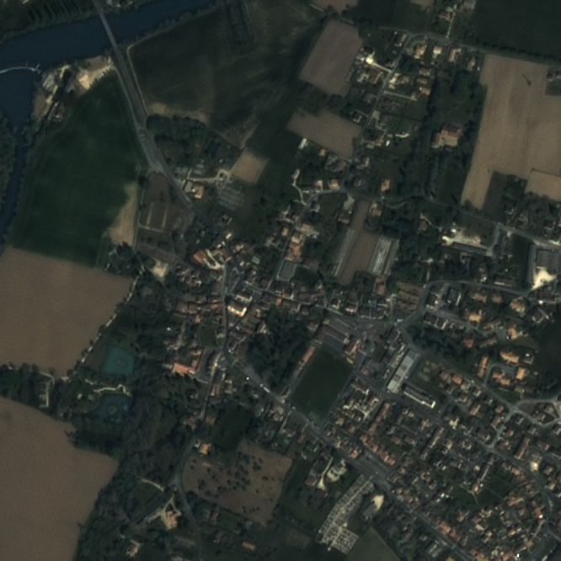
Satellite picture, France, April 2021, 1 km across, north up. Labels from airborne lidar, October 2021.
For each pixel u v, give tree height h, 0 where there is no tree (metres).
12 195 0
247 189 0
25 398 14
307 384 0
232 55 0
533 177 0
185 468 0
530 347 0
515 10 0
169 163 13
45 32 0
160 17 0
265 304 0
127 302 13
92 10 11
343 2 0
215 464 0
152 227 0
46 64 0
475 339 15
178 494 8
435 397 0
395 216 17
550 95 0
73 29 0
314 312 12
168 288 7
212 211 0
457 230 0
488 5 0
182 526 13
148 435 36
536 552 0
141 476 31
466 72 9
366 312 0
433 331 11
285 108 0
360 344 0
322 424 0
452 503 8
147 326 8
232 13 28
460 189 0
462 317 7
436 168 13
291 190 0
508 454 0
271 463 0
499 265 9
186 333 9
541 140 0
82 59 0
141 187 10
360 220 0
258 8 0
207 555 0
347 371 0
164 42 0
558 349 0
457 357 26
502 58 0
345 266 0
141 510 20
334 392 0
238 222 0
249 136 0
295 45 0
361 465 0
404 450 6
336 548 0
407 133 0
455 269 20
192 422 0
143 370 23
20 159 0
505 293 8
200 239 11
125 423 16
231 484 7
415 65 11
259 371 16
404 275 18
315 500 10
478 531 0
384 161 7
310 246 8
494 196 0
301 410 0
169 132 21
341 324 0
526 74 0
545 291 0
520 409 7
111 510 20
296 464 8
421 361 5
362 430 6
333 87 0
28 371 17
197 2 0
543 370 0
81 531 21
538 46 0
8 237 9
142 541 14
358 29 13
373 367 0
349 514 0
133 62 0
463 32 8
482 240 0
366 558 0
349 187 10
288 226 8
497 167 0
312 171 14
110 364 0
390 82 0
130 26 0
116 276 11
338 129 0
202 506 18
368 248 0
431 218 0
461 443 0
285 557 0
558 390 8
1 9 0
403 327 0
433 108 9
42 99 0
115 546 15
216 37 0
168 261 0
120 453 26
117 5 11
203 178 0
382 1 0
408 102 0
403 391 0
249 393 17
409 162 15
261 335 12
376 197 0
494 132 0
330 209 0
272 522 9
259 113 0
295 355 13
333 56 0
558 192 0
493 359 16
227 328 0
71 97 10
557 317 9
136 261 11
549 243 0
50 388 0
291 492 13
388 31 0
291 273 0
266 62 0
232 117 0
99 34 0
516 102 0
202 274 8
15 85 0
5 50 0
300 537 0
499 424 8
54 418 15
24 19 0
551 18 0
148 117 0
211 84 0
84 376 17
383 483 0
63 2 0
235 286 0
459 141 0
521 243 0
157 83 0
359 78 0
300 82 0
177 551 7
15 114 0
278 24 0
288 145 0
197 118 0
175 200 16
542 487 0
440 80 13
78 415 7
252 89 0
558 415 0
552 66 0
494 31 0
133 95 0
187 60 0
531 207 16
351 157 0
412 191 11
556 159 0
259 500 0
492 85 0
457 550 0
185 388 7
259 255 10
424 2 0
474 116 10
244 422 0
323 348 0
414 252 18
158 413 35
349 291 9
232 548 6
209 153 9
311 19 0
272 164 0
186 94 0
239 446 0
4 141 13
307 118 0
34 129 25
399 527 8
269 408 0
